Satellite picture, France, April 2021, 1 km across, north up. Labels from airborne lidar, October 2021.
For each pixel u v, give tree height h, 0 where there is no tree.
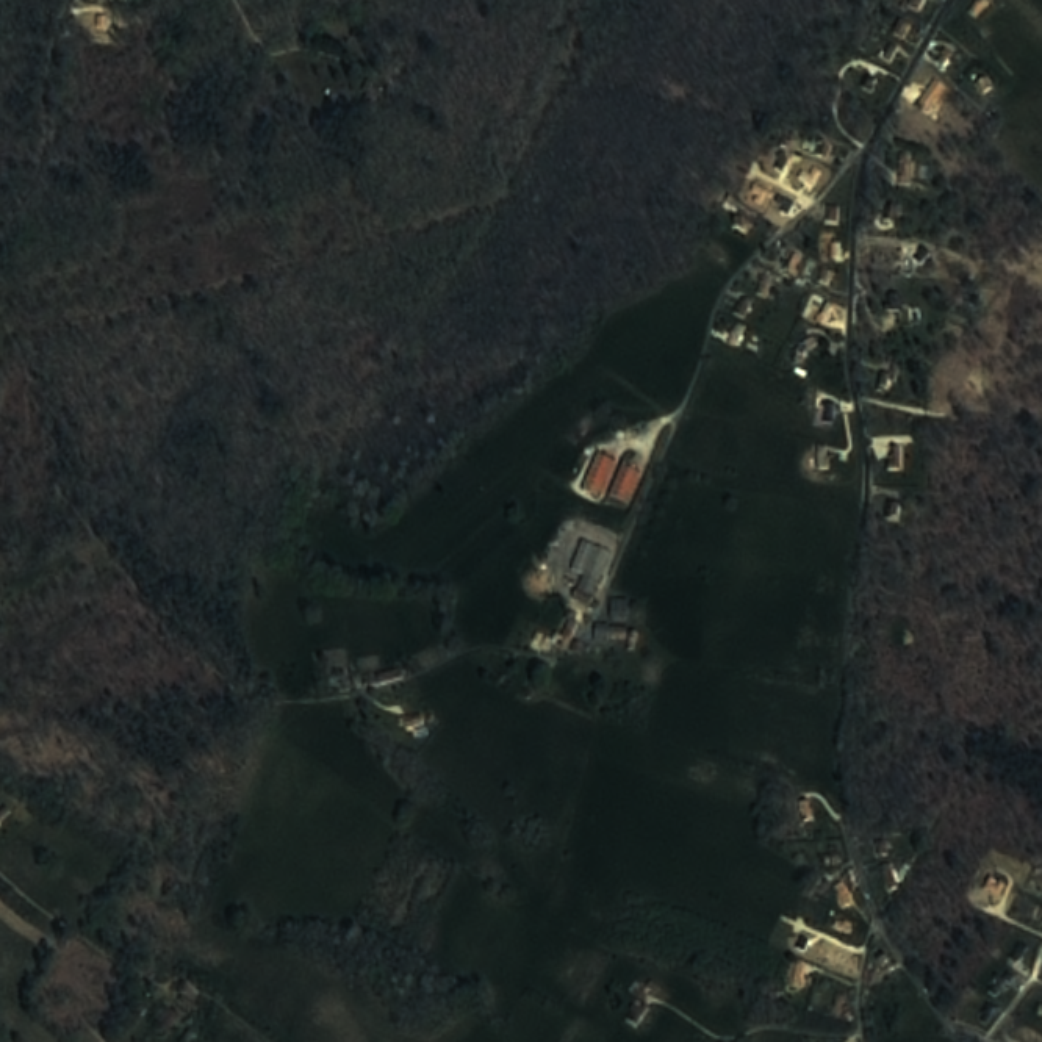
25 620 18
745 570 0
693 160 24
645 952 6
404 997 19
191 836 18
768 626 0
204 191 0
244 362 19
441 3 13
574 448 0
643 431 0
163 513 13
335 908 0
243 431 15
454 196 17
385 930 7
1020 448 14
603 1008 0
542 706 0
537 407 0
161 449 16
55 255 22
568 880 0
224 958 0
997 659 22
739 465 0
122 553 19
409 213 18
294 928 14
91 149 16
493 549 0
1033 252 16
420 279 14
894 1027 14
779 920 0
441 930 0
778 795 15
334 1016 0
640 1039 0
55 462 15
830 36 19
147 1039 5
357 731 10
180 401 13
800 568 0
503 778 0
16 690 18
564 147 12
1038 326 15
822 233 0
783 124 16
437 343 17
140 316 14
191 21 22
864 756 13
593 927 0
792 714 0
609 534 0
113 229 20
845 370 6
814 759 0
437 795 17
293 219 20
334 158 19
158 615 19
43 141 13
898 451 0
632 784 0
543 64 16
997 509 15
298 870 0
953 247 10
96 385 19
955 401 0
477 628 0
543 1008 11
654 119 0
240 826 8
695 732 0
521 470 0
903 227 10
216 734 23
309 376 15
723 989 8
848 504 0
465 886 0
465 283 15
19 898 8
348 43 8
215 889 8
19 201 18
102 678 14
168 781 18
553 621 0
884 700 10
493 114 15
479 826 13
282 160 17
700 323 0
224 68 21
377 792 0
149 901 19
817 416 0
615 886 0
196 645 17
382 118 20
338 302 13
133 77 10
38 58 17
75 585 17
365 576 9
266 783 0
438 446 20
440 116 16
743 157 16
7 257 21
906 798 14
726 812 0
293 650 0
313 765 0
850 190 0
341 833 0
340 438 21
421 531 0
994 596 21
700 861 0
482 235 25
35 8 17
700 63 0
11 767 19
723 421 0
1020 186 11
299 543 19
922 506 14
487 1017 17
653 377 0
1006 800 9
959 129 0
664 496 10
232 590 18
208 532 19
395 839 7
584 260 19
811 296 6
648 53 0
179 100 12
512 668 11
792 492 0
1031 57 0
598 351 0
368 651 0
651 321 0
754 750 0
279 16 23
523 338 18
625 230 14
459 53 12
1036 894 0
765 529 0
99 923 17
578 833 0
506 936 0
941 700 10
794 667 0
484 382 9
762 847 9
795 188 0
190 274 15
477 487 0
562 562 0
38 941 0
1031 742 8
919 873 6
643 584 0
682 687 0
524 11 18
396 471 13
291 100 15
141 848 18
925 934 7
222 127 18
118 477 19
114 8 15
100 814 20
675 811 0
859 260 0
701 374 0
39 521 6
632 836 0
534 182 14
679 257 0
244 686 19
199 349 22
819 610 0
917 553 13
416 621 0
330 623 0
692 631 0
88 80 8
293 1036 0
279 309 23
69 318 16
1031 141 0
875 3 20
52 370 18
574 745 0
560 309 14
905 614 14
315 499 21
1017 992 0
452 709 0
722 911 0
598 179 10
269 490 20
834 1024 10
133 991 26
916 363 6
